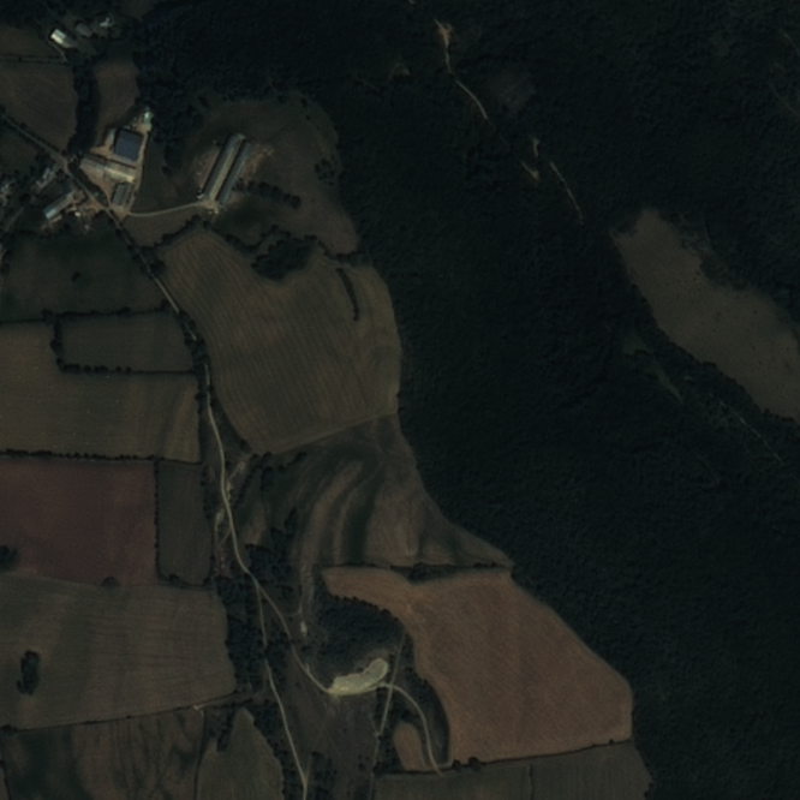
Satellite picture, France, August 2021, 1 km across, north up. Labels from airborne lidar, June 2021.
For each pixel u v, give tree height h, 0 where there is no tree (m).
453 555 0
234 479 0
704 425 13
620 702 0
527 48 23
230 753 0
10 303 0
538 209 13
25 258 0
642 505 16
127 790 0
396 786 0
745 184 22
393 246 7
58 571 0
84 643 0
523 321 23
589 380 8
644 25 18
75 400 0
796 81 6
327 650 6
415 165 14
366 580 0
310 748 0
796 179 10
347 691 0
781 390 0
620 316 14
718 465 12
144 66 21
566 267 20
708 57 12
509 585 0
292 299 0
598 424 22
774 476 8
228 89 20
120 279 0
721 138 21
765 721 9
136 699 0
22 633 0
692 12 13
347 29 24
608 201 11
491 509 13
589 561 10
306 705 0
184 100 19
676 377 17
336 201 0
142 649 0
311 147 0
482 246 17
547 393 21
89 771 0
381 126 17
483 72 19
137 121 0
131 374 8
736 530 15
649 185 23
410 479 0
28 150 0
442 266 9
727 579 11
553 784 0
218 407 6
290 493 0
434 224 8
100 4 16
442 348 9
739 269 15
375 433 0
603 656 7
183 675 0
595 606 10
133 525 0
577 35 18
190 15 24
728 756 7
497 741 0
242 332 0
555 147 15
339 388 0
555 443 17
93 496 0
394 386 0
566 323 29
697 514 18
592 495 14
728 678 8
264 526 0
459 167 23
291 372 0
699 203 22
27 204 12
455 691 0
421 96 24
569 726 0
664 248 0
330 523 0
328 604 7
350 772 0
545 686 0
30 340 0
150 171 0
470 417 17
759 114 10
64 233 9
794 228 8
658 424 16
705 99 15
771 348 0
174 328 0
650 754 7
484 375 23
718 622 13
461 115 17
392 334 0
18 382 0
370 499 0
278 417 0
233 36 23
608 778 0
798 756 9
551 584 6
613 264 20
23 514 0
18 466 0
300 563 0
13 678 0
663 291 0
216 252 0
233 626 13
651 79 9
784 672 11
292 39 21
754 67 16
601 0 14
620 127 21
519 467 13
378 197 16
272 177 0
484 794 0
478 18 13
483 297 13
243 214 0
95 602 0
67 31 9
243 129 0
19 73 0
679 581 9
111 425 0
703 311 0
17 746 0
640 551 12
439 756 0
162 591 0
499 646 0
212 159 0
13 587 0
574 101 19
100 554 0
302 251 8
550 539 6
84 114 17
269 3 25
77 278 10
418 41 20
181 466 0
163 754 0
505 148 15
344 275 6
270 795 0
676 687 9
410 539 0
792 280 19
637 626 7
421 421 9
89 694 0
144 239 0
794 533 12
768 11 9
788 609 12
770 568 14
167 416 0
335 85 18
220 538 0
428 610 0
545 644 0
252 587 14
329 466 0
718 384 15
